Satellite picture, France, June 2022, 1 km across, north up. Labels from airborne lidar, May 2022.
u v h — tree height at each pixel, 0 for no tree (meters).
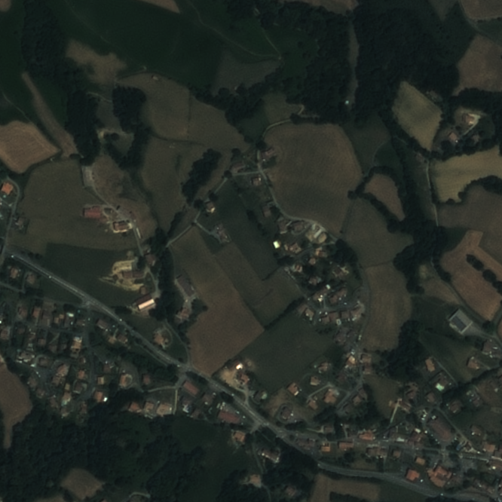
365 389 12
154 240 12
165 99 0
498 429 0
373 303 0
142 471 6
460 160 0
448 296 0
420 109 0
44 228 0
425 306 0
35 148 0
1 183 11
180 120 0
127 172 0
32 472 22
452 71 18
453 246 0
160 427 17
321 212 0
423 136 0
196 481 25
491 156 0
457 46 6
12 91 0
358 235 0
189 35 0
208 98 14
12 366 17
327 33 16
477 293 0
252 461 0
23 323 11
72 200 0
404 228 19
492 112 7
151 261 0
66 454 28
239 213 0
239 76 0
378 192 0
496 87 0
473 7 0
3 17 0
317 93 19
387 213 14
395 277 0
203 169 18
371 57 25
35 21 22
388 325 0
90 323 0
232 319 0
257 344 0
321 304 0
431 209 0
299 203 0
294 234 0
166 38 0
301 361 0
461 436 9
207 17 0
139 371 6
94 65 0
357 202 0
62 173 0
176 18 0
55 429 28
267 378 0
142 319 0
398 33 15
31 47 16
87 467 17
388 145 0
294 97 10
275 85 17
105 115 0
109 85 0
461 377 0
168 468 19
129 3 0
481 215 0
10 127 0
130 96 21
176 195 0
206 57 0
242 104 17
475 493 0
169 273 19
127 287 0
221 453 0
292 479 25
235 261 0
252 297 0
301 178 0
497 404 0
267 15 21
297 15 32
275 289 0
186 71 0
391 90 26
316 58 7
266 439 8
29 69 7
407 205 18
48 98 0
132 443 14
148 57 0
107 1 0
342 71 24
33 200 0
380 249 0
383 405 0
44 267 7
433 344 0
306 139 0
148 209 0
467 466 0
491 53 0
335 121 16
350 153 0
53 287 0
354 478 8
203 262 0
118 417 12
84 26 0
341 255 11
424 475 0
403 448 0
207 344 0
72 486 0
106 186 0
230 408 0
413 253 10
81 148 13
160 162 0
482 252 0
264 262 0
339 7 0
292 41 0
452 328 0
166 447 8
